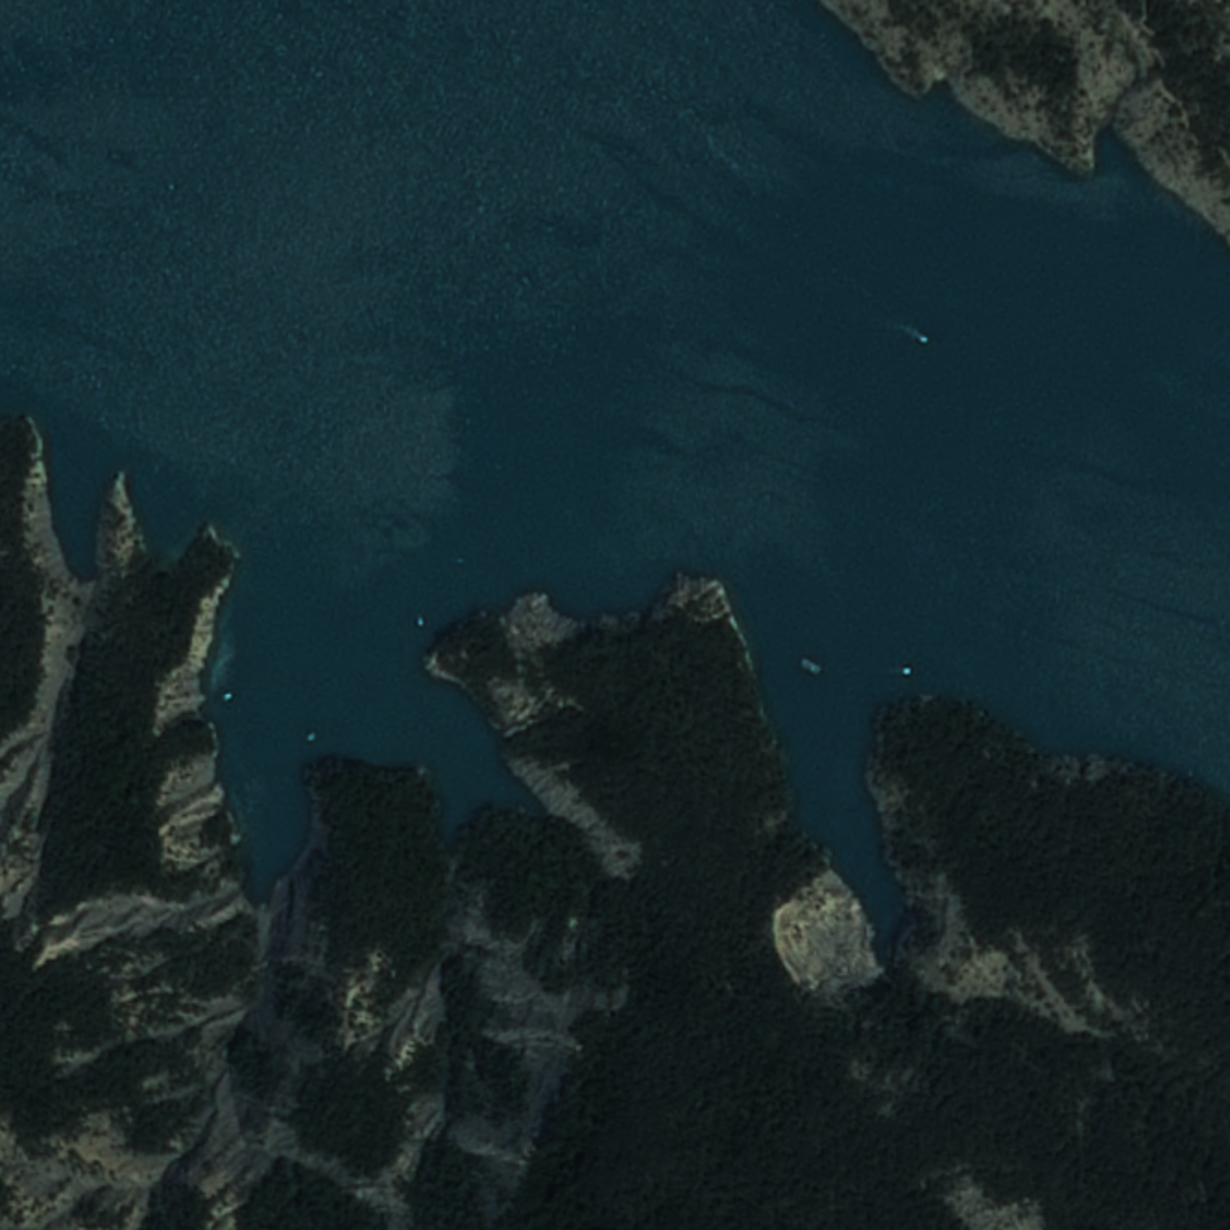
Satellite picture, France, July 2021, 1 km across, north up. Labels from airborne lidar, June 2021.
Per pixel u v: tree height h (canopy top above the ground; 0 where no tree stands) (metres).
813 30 0
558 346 0
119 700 10
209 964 7
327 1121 8
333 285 0
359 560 0
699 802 9
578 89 0
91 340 0
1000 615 0
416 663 0
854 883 0
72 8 0
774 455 0
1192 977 7
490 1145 0
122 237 0
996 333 0
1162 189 0
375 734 0
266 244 0
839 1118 13
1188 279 0
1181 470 0
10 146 0
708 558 0
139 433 0
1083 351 0
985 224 0
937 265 0
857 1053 8
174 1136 7
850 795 0
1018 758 8
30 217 0
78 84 0
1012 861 9
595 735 8
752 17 0
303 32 0
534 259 0
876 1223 13
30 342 0
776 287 0
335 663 0
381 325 0
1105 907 8
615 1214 8
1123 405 0
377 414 0
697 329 0
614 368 0
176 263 0
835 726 0
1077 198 0
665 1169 10
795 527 0
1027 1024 11
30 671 7
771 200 0
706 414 0
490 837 8
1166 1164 13
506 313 0
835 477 0
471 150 0
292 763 0
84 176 0
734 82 0
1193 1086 7
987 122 0
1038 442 0
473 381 0
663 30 0
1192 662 0
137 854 9
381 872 9
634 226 0
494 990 0
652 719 7
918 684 0
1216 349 0
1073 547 0
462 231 0
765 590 0
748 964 6
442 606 0
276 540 0
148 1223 9
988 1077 11
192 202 0
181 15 0
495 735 0
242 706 0
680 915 11
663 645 8
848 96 0
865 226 0
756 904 10
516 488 0
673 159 0
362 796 8
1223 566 0
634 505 0
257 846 0
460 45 0
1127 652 0
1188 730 0
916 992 9
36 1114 12
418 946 7
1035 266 0
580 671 8
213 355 0
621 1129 11
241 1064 6
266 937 0
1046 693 0
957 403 0
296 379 0
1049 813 8
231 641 0
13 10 0
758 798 10
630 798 8
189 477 0
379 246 0
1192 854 7
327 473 0
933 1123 9
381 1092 6
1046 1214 7
